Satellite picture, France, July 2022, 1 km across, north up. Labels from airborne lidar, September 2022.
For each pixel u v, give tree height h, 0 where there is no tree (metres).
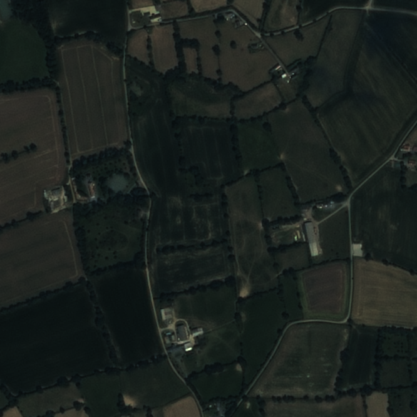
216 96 0
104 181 24
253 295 8
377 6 0
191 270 0
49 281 0
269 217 0
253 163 0
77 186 15
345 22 0
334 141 0
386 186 0
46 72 0
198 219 0
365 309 0
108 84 0
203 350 0
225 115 0
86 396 0
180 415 0
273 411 0
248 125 0
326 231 0
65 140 13
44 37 19
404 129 0
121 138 0
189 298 0
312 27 0
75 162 11
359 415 0
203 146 0
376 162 0
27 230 0
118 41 0
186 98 0
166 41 0
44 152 0
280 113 0
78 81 0
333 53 0
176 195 0
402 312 0
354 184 0
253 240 0
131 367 13
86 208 9
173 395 0
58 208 0
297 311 0
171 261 0
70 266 0
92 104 0
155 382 0
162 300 11
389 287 0
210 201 0
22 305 8
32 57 0
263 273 0
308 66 11
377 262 0
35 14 23
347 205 0
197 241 0
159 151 0
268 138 0
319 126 6
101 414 0
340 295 0
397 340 0
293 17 0
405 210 0
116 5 0
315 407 0
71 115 0
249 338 0
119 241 0
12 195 0
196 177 15
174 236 0
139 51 0
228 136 0
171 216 0
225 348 0
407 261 0
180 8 0
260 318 0
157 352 0
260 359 0
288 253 0
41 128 0
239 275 0
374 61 0
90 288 19
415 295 0
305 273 0
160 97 0
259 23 15
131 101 7
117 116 0
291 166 0
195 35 0
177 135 16
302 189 0
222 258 0
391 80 0
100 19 0
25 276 0
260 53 0
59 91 9
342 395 14
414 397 6
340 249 0
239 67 0
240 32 0
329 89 0
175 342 0
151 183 0
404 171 10
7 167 0
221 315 0
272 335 0
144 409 11
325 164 0
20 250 0
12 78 0
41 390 16
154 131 0
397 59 7
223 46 0
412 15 0
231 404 10
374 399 0
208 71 0
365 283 0
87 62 0
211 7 0
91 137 0
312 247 0
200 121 17
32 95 0
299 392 0
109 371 16
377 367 20
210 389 0
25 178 0
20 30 0
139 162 0
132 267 15
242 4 0
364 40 0
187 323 0
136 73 0
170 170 0
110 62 0
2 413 14
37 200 0
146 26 10
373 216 0
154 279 0
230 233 8
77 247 11
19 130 0
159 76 10
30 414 0
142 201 21
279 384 0
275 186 0
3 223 0
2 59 0
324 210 0
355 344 0
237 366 0
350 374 0
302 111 0
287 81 0
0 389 18
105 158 16
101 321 18
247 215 0
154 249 0
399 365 0
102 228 0
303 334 0
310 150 0
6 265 0
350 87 0
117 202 19
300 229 0
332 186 0
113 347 11
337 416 0
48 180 0
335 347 0
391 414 9
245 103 0
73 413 0
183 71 19
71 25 0
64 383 21
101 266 0
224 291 0
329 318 0
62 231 0
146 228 6
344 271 0
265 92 0
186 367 0
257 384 0
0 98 0
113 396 0
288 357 0
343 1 0
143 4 0
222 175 0
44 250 0
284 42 0
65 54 0
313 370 0
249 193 0
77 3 0
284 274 14
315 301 0
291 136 0
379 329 6
